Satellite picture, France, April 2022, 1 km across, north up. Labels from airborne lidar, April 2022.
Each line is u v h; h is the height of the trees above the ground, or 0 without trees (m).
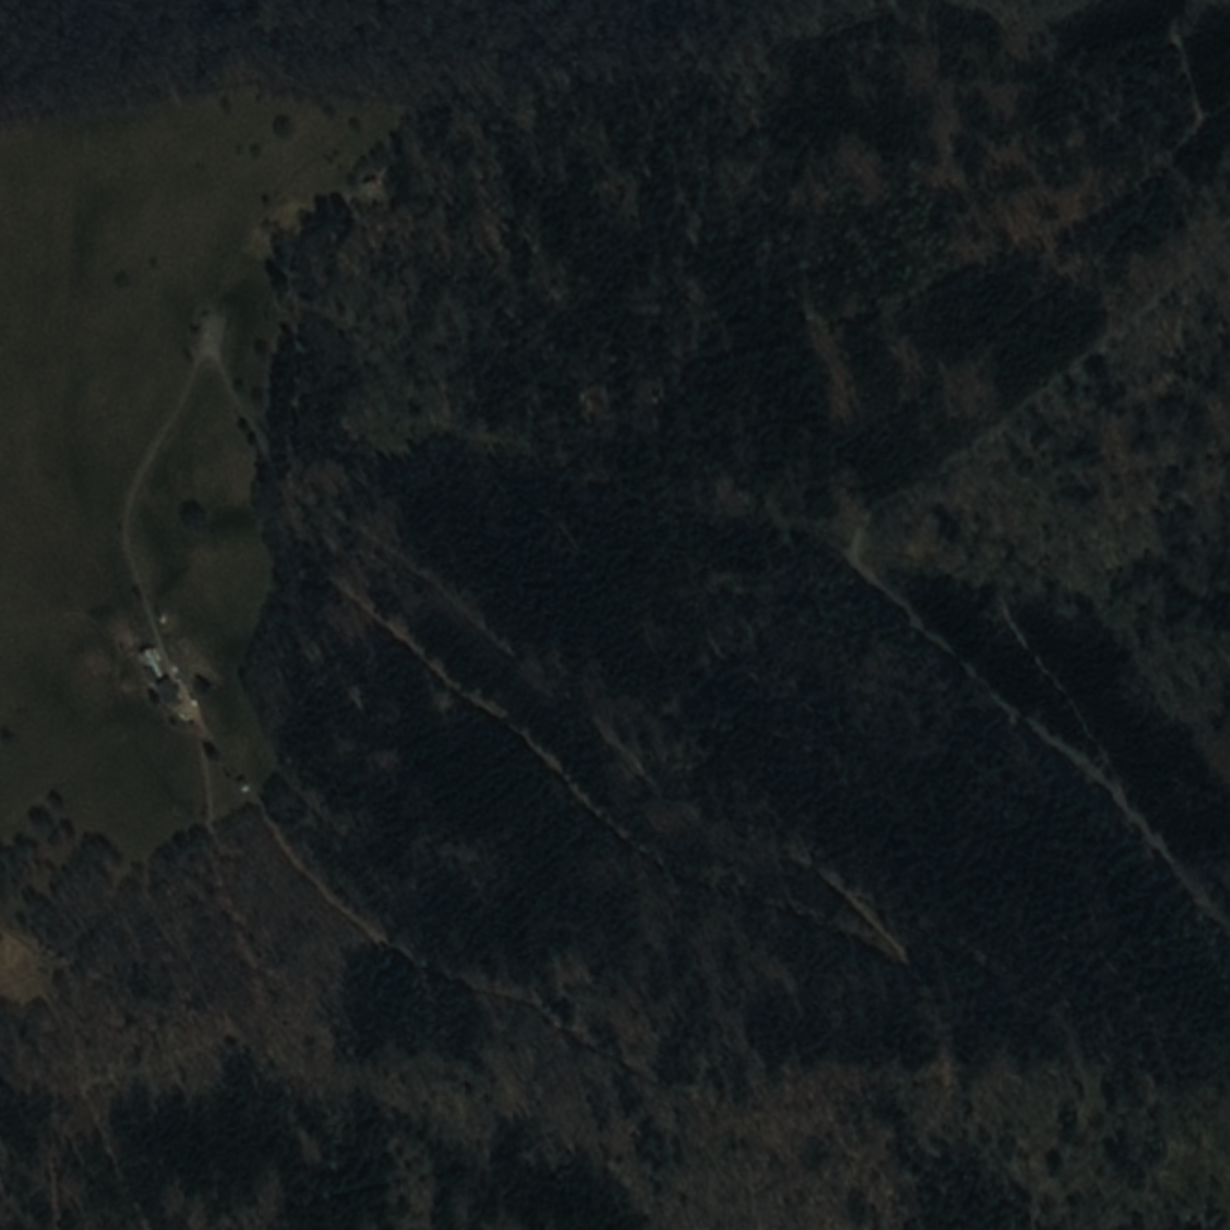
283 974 20
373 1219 17
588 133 22
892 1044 28
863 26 19
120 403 0
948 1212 24
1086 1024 23
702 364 26
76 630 0
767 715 26
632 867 23
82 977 13
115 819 0
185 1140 24
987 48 15
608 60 22
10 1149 9
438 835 20
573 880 20
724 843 23
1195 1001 32
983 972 25
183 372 0
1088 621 18
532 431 23
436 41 27
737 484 29
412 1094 16
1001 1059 21
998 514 29
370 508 17
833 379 25
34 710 0
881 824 25
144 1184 23
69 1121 14
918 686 32
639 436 39
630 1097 15
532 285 25
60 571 0
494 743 22
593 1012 18
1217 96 14
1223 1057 30
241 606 0
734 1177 26
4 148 0
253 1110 18
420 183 23
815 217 22
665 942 21
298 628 20
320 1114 16
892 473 21
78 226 0
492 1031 18
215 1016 21
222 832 11
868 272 23
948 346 21
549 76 17
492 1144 16
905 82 21
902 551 30
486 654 19
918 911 26
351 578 21
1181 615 31
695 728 23
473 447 21
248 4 19
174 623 0
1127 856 39
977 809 28
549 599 22
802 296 26
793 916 17
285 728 16
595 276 20
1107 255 17
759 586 19
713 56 19
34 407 0
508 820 22
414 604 21
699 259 21
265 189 0
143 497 0
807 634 36
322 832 18
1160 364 22
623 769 22
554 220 31
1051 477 22
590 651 19
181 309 0
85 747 0
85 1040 18
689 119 24
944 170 19
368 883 15
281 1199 18
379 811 21
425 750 20
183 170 0
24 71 25
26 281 0
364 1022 19
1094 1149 20
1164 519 27
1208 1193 6
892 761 28
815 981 22
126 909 19
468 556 24
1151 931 36
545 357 31
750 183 22
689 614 19
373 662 19
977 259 16
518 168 32
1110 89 15
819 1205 21
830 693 27
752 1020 17
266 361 17
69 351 0
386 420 21
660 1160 22
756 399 28
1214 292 26
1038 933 26
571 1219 23
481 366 29
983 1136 25
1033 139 18
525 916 24
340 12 33
